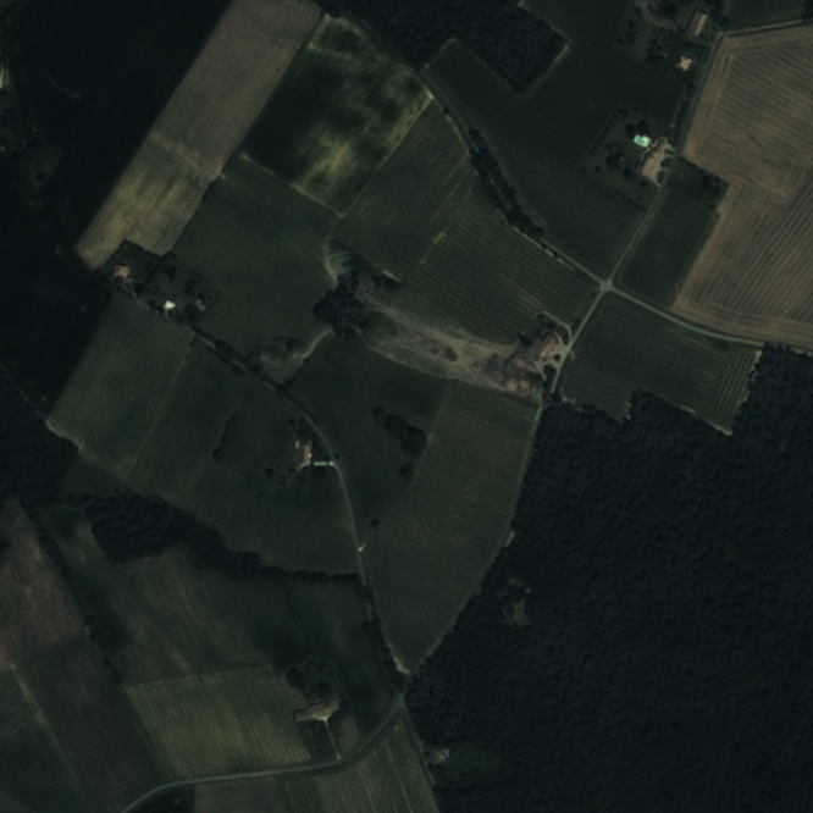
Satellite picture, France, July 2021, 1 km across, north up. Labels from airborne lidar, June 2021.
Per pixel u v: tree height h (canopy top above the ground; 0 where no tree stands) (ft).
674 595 40
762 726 58
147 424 0
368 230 0
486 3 60
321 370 0
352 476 0
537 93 0
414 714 31
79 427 0
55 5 0
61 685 0
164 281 0
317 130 0
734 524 90
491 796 64
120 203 0
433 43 54
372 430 0
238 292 0
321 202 0
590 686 54
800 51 0
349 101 0
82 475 0
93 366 0
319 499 0
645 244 0
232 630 0
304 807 0
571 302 0
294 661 0
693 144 0
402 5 54
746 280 0
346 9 40
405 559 0
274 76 0
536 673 35
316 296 0
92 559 0
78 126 0
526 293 0
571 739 61
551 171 0
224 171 0
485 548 0
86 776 0
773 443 89
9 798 0
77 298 0
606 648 25
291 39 0
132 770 0
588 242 0
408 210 0
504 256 0
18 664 0
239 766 0
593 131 0
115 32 0
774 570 66
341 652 0
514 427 0
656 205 0
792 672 78
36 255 0
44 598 0
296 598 0
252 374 44
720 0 40
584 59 0
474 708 56
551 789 57
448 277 0
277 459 0
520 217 64
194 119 0
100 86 0
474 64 0
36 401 0
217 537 30
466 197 0
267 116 0
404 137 0
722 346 0
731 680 55
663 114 0
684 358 0
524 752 73
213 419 0
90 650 0
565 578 42
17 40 0
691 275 0
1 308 0
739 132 0
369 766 0
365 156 0
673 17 40
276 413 0
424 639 0
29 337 0
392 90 0
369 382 0
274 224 0
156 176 0
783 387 56
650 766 72
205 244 0
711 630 63
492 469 0
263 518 0
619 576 68
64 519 0
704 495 42
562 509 44
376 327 0
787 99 0
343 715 22
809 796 51
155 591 0
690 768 80
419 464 0
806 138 0
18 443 64
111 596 0
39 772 0
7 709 0
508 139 0
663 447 47
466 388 0
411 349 0
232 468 0
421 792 0
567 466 68
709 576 78
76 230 0
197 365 0
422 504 0
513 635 20
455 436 0
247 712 0
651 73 0
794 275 0
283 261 0
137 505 50
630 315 0
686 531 28
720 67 0
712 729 75
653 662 63
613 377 0
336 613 0
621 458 73
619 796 69
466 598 0
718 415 0
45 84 0
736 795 72
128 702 0
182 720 0
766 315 0
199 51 0
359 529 0
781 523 76
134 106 0
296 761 0
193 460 0
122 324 0
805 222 0
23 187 0
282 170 0
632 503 70
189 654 0
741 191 0
